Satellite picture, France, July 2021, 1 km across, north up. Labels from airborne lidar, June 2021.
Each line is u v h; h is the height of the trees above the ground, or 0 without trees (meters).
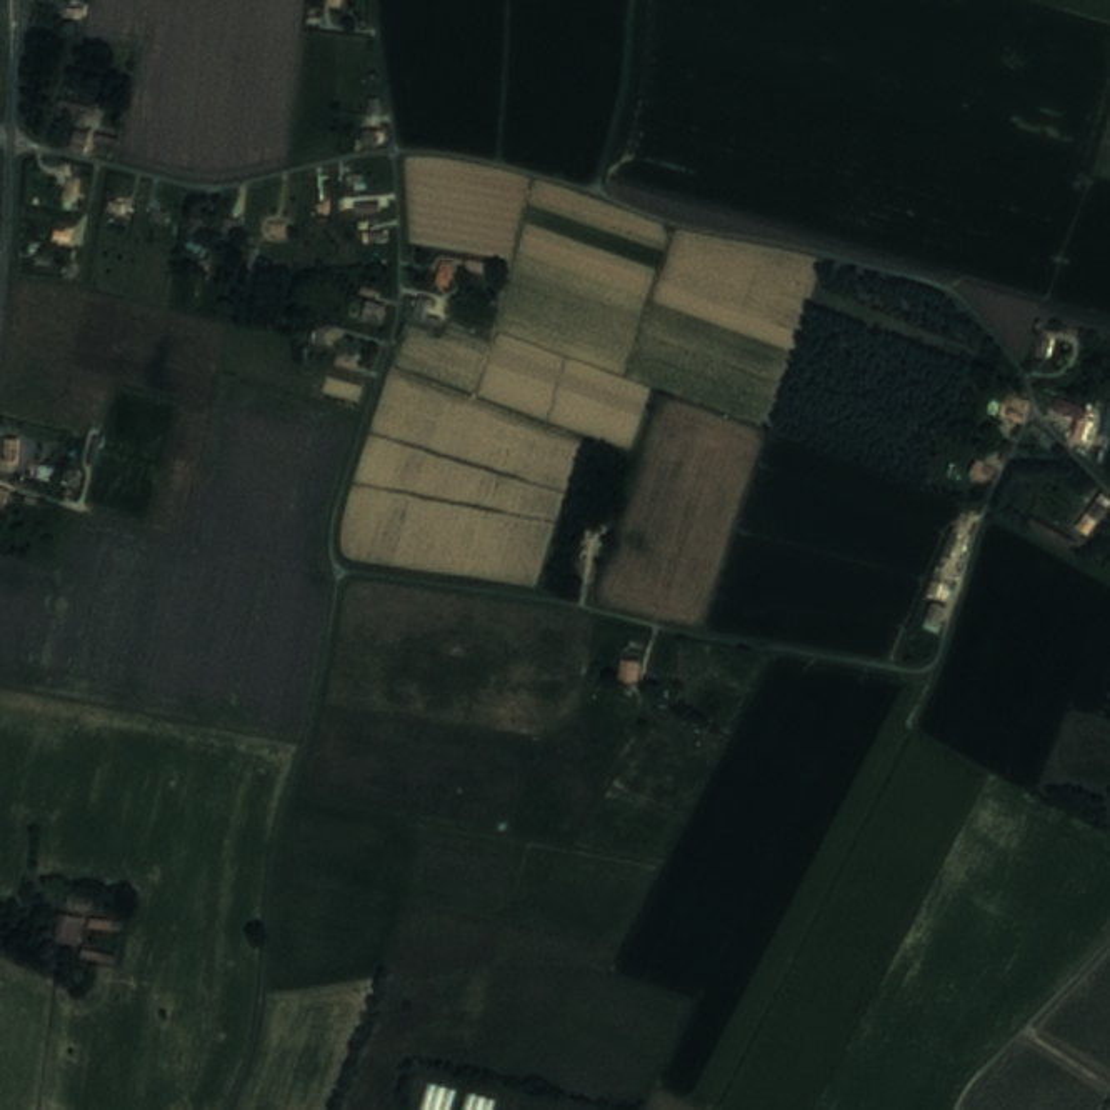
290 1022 0
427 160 0
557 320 0
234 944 0
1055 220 0
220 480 0
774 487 0
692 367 0
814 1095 0
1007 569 0
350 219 0
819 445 10
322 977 0
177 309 0
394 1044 0
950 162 0
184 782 0
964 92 0
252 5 0
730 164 0
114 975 0
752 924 0
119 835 0
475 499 0
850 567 0
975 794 0
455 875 0
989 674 0
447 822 0
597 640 0
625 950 0
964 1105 0
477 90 0
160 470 0
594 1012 0
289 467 0
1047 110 0
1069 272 0
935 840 0
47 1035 0
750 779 0
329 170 0
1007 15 0
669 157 0
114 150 0
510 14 0
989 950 0
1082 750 0
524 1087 9
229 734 0
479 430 0
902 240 0
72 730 0
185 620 0
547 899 0
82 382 0
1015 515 14
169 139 0
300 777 0
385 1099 0
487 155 0
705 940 0
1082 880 0
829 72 0
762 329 0
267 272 21
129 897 18
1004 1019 0
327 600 0
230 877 0
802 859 0
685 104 0
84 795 0
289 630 0
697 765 0
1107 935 0
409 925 0
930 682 0
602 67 0
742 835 0
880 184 0
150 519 0
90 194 0
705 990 0
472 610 0
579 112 0
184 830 0
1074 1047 0
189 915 0
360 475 0
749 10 0
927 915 0
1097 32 0
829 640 0
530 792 0
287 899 0
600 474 15
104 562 0
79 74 10
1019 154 0
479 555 0
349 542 0
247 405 0
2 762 0
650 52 0
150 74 0
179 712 0
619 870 0
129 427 0
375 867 0
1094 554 10
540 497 0
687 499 0
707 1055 0
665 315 0
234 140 0
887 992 0
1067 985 0
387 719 0
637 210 0
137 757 0
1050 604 0
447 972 0
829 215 0
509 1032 0
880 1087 0
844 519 0
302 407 0
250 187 0
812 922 0
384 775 0
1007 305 0
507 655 0
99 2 0
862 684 0
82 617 0
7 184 0
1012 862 0
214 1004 0
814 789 0
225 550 0
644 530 0
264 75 0
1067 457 10
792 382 13
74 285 0
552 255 0
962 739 0
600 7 0
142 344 0
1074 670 0
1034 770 0
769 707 0
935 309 16
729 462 0
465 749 0
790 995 0
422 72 0
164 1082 0
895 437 15
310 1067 0
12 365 0
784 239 0
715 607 0
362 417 0
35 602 0
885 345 16
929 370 16
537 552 0
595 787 0
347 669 0
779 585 0
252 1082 0
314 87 0
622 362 0
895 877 0
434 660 0
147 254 0
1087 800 14
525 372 0
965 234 0
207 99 0
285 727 0
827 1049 0
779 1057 0
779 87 0
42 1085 0
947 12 0
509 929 0
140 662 0
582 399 0
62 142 7
